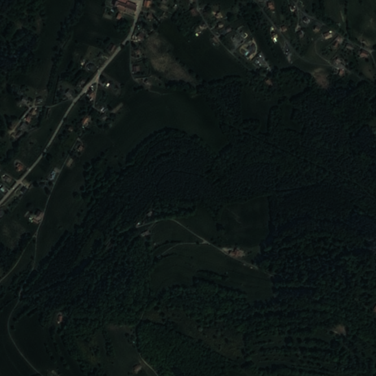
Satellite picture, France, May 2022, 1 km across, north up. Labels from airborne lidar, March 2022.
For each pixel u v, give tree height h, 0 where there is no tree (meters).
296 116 11
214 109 12
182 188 14
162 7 0
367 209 10
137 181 12
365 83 16
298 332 17
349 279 31
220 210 10
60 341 0
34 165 0
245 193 11
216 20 7
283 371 18
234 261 0
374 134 28
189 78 0
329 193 18
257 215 0
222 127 11
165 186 14
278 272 19
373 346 13
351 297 13
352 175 11
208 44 0
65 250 18
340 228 23
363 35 0
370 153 29
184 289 18
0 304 0
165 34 0
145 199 16
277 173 11
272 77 18
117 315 16
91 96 0
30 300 11
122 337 0
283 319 20
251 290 0
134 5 0
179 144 15
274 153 18
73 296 9
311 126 8
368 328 22
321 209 17
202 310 25
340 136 10
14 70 16
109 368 0
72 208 0
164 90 0
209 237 0
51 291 23
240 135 17
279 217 20
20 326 0
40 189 0
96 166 17
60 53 10
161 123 0
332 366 0
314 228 11
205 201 11
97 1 0
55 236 0
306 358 13
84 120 0
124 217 14
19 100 12
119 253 9
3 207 0
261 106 0
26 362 0
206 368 19
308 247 25
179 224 0
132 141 0
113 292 19
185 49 0
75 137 0
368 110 11
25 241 16
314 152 14
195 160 14
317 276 30
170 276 0
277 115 8
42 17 17
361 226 31
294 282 29
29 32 7
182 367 24
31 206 14
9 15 20
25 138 12
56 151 0
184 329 0
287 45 0
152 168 12
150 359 19
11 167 0
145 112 0
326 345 14
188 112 0
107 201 17
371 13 0
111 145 0
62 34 15
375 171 24
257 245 0
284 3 6
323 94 17
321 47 0
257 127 12
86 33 0
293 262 26
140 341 14
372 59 0
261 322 20
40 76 0
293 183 11
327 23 23
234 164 11
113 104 0
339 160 9
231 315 22
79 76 6
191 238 0
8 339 0
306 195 20
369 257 29
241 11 9
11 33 23
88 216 10
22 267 0
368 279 31
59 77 7
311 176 13
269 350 9
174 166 14
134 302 16
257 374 8
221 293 25
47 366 0
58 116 0
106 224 9
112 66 0
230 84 7
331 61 0
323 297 28
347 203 18
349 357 10
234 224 0
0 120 24
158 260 16
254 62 0
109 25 0
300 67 0
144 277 18
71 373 0
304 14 0
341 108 21
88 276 23
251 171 15
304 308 14
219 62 0
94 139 0
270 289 0
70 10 0
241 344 0
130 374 7
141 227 0
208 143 0
